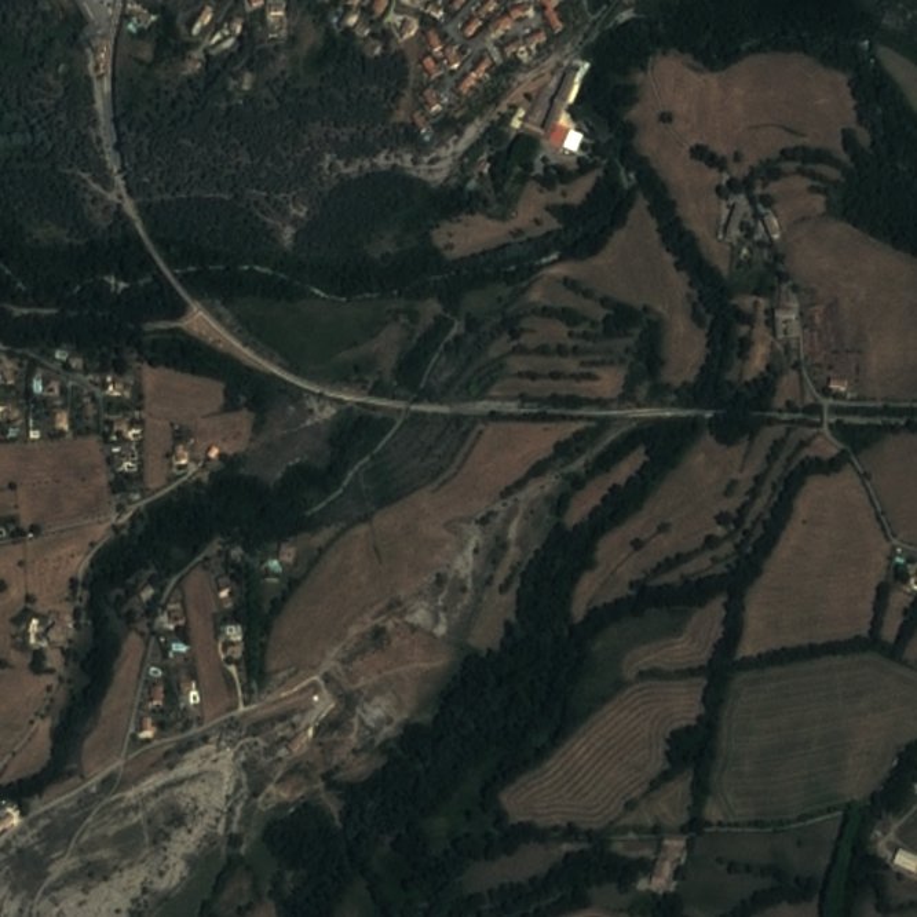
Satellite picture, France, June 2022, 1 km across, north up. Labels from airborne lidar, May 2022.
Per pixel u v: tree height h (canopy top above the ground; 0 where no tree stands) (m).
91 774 0
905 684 0
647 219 0
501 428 0
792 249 0
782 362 0
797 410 9
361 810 16
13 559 0
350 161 9
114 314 11
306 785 0
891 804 12
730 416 13
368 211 10
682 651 0
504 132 9
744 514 16
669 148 0
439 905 14
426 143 7
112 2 0
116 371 7
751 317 16
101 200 8
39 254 11
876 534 0
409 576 0
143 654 0
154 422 0
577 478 12
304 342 0
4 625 0
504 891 15
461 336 11
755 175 10
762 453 0
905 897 0
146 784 0
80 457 0
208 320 0
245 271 10
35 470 0
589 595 0
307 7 8
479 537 0
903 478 0
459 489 0
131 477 8
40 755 0
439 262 11
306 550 0
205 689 0
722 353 15
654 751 0
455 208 10
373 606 0
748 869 11
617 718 0
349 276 8
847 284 0
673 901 16
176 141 11
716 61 16
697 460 0
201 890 0
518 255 9
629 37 17
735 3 15
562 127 0
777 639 0
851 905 8
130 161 9
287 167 11
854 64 8
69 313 15
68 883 0
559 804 0
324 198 11
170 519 15
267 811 0
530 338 0
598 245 15
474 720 26
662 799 0
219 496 15
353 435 9
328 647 0
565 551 7
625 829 0
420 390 7
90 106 7
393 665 0
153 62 6
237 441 0
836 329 0
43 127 12
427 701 0
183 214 12
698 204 0
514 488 6
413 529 0
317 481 9
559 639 25
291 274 7
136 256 17
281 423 0
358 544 0
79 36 15
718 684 11
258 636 7
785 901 8
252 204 9
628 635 0
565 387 0
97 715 0
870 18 14
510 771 12
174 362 8
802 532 0
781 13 17
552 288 0
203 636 0
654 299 0
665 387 12
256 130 14
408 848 16
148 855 0
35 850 0
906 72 0
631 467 0
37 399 8
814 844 0
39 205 11
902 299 0
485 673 10
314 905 22
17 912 0
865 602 0
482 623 0
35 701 0
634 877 15
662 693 0
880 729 0
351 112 12
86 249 10
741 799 0
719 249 0
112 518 0
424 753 27
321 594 0
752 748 0
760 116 0
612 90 18
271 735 0
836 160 10
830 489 0
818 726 0
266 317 0
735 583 14
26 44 10
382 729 0
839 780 0
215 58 15
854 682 0
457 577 0
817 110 0
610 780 0
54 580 0
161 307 12
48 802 0
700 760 15
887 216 14
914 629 11
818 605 0
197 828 0
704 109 0
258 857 0
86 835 0
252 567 10
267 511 17
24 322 9
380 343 0
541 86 0
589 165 8
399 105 11
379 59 15
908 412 12
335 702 0
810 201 0
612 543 0
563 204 10
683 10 11
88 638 0
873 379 0
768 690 0
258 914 0
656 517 0
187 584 0
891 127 10
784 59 0
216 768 0
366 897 0
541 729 13
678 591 20
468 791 0
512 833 14
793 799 0
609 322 13
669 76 0
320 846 6
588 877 16
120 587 8
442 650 0
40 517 0
